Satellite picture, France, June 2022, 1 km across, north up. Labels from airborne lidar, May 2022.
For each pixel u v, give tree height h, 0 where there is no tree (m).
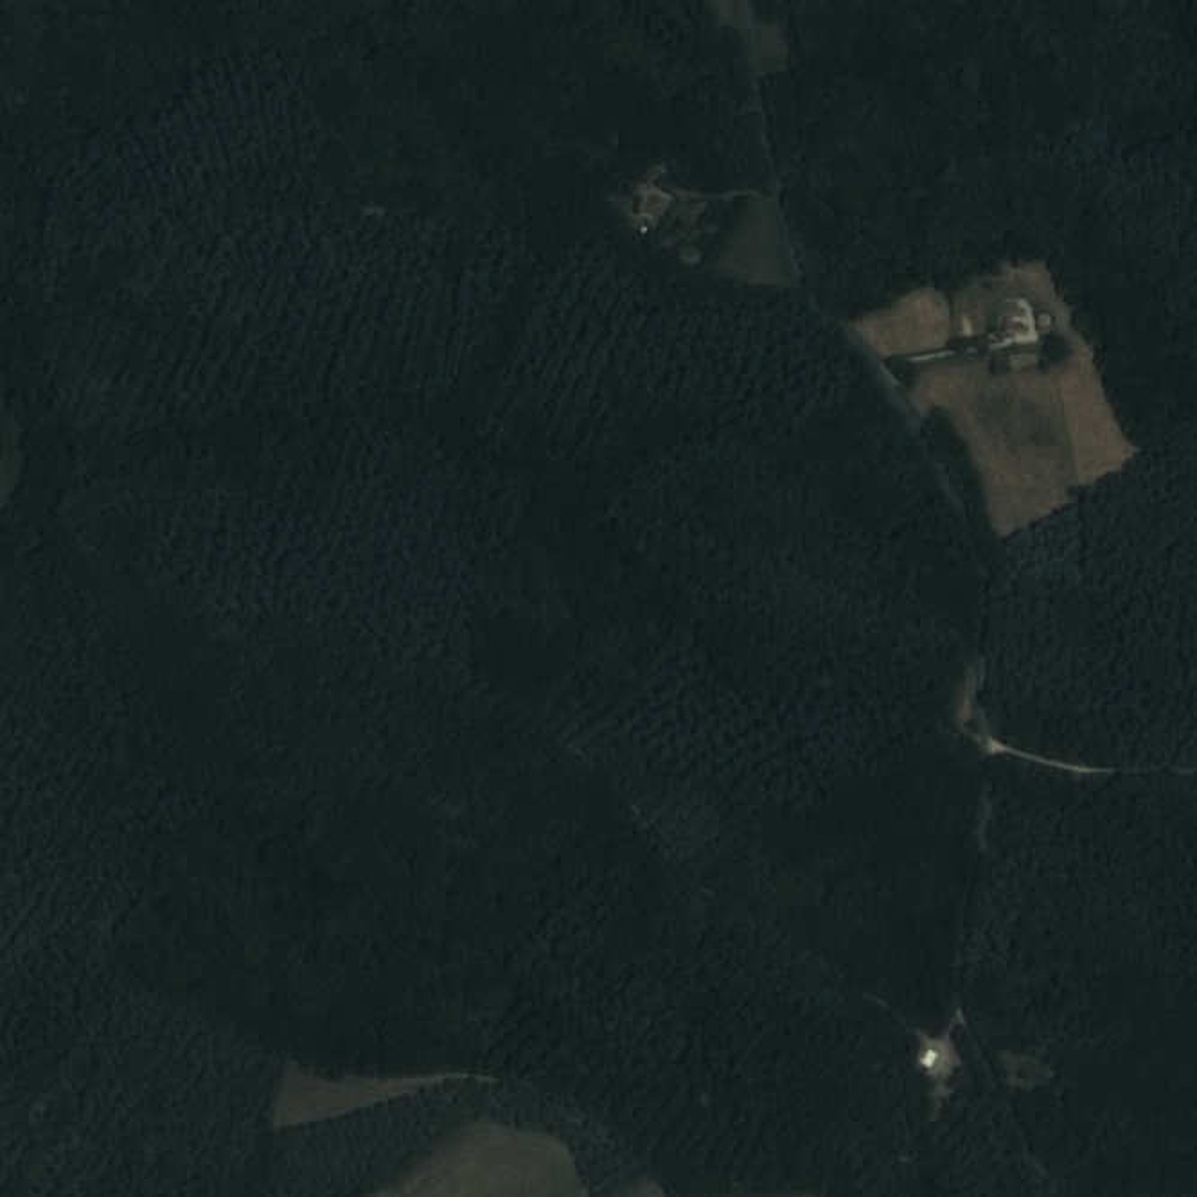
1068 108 20
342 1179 18
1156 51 23
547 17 24
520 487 15
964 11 17
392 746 21
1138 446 9
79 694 25
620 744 20
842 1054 21
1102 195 21
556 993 26
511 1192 0
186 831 25
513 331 27
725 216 11
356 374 17
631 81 17
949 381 0
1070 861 15
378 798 21
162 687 18
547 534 18
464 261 16
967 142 24
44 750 23
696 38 19
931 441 15
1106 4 18
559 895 15
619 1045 28
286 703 17
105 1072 22
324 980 13
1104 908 17
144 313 16
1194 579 21
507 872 19
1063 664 15
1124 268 22
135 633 20
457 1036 15
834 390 26
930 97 27
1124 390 18
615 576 22
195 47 19
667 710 25
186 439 24
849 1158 18
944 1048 0
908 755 16
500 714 16
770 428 24
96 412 20
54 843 31
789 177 15
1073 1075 16
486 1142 0
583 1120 12
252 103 32
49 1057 22
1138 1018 15
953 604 17
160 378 26
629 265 15
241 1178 17
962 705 0
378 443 31
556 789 14
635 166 18
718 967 18
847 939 14
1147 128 10
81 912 31
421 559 31
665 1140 13
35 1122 10
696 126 18
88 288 13
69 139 15
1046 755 12
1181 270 22
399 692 19
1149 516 22
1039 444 0
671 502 24
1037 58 20
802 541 7
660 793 15
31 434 18
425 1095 16
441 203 15
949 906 11
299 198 14
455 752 19
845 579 15
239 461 23
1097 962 21
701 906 15
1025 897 10
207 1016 16
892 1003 10
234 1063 18
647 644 20
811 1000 20
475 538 22
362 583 35
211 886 15
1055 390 0
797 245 11
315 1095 0
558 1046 14
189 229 12
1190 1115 15
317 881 25
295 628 17
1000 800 9
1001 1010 17
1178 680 27
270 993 15
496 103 11
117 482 31
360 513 21
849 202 14
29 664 22
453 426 28
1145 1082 13
